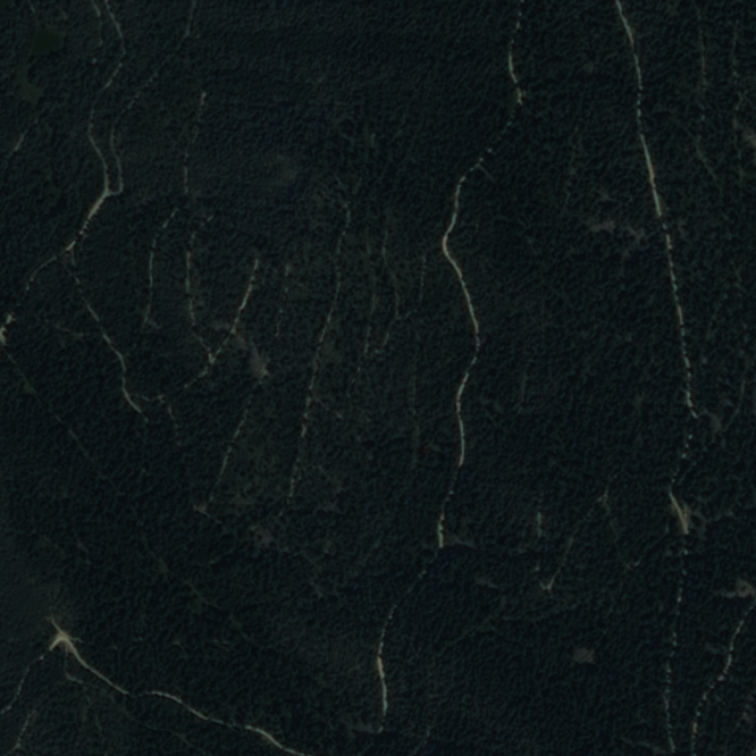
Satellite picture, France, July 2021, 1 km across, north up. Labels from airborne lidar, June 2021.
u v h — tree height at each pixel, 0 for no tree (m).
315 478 10
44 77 10
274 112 13
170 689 10
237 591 8
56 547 7
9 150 8
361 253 14
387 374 9
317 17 6
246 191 7
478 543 11
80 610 12
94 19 10
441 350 14
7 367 23
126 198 11
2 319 13
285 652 10
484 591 20
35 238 19
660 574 21
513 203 18
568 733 16
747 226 22
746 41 11
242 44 7
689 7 19
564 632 19
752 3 7
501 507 13
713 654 17
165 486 18
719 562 24
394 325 7
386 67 13
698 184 14
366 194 12
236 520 9
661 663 20
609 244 10
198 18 7
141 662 12
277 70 8
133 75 12
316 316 6
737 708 19
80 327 13
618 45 12
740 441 10
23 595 7
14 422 18
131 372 10
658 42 10
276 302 11
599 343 11
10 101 14
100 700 9
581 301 14
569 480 19
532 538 13
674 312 19
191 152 7
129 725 13
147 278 8
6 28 9
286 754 10
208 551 9
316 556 9
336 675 6
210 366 10
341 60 13
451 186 13
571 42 13
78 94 13
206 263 10
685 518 0
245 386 12
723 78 7
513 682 21
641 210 11
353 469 12
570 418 11
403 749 14
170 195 9
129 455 12
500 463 8
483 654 22
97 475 24
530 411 7
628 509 8
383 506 7
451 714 15
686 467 21
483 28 12
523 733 13
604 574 14
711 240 15
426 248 9
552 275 17
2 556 8
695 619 17
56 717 6
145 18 12
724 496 21
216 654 23
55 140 13
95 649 20
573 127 11
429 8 18
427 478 16
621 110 11
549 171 9
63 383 14
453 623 21
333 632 8
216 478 11
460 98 9
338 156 21
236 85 11
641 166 9
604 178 11
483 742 8
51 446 24
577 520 11
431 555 17
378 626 18
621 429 20
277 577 13
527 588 12
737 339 14
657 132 11
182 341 6
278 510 9
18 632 11
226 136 8
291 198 7
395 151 12
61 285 9
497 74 8
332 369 13
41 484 12
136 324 7
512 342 11
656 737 22
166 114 9
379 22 14
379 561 6
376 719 12
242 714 13
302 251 9
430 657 12
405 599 19
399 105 9
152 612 22
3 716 8
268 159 6
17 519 17
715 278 21
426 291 6
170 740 16
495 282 7
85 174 10
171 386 19
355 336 9
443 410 12
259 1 13
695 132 17
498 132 16
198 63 8
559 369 14
